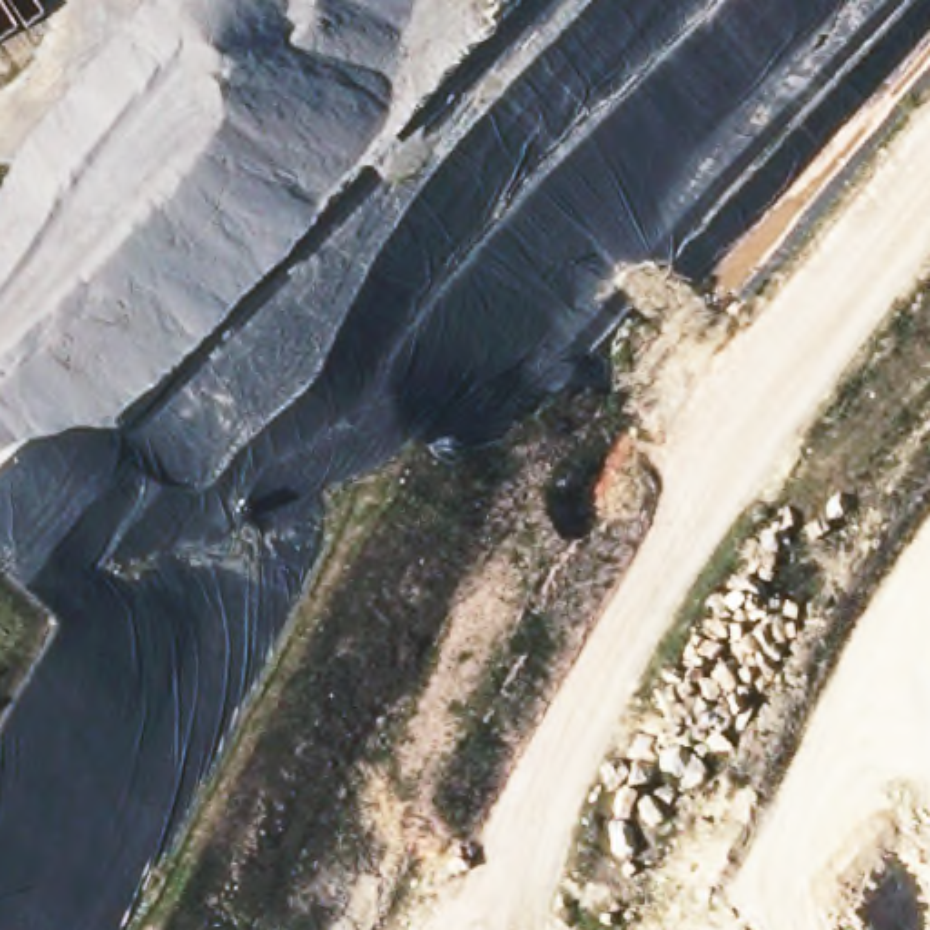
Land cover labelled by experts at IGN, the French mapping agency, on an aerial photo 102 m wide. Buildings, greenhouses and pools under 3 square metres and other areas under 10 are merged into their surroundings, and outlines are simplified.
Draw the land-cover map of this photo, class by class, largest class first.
<instances>
[{"label":"pervious surface","instance_id":"1","mask_svg":"<svg viewBox=\"0 0 930 930\"><path fill-rule=\"evenodd\" d=\"M930 102V0H0V599L11 603L22 618V639L0 661V930H396L403 908L458 901L465 879L476 872V865H483V825L490 817V806L498 803V792L509 781L512 759L527 748L538 719L549 712V694L563 687L567 672L578 665L610 592L636 563L654 527L665 480L661 469L650 461V443L661 447L668 436L650 432L643 418L658 407V381L668 360L679 356L690 341H705L712 352H727L741 331L756 323L759 298L788 283L796 265L810 254V243L821 236V229L872 178L879 153L897 142L901 131H908L915 109ZM625 727L610 737L607 756L592 763V781L585 785L559 890H519L509 915V930H574L563 915L567 897H578L581 908H589L599 923H614L621 930H930V272L890 305V320H883L868 334V341L857 349L846 374L839 378L832 400L817 407L777 498L748 501L712 549L708 563L698 570L679 610L672 614V625L658 639L628 708L621 712Z\"/></svg>","mask_w":930,"mask_h":930},{"label":"impervious surface","instance_id":"2","mask_svg":"<svg viewBox=\"0 0 930 930\"><path fill-rule=\"evenodd\" d=\"M930 272V102L915 109L908 131H901L897 142L879 153L872 178L821 229V236L810 243V254L796 265L788 283L759 298L756 323L741 331L727 352H712L705 341H690L679 356L668 360L658 381V407L643 418L650 432L668 436L661 447L650 443V461L661 469L665 480L654 527L636 563L610 592L578 665L567 672L563 687L549 694V712L538 719L527 748L512 759L509 781L498 792V803L490 806V817L483 825V865H476V872L465 879L458 901L403 908L396 930H509V915L519 890H559L585 785L592 781V763L607 756L610 737L625 727L621 712L628 708L658 639L672 625V614L679 610L698 570L708 563L712 549L748 501L777 498L817 407L832 400L839 378L846 374L857 349L868 341V334L883 320H890V305Z\"/></svg>","mask_w":930,"mask_h":930},{"label":"herbaceous vegetation","instance_id":"3","mask_svg":"<svg viewBox=\"0 0 930 930\"><path fill-rule=\"evenodd\" d=\"M22 639V618L11 603L0 599V661ZM563 915L574 930H621L614 923H599L589 908H581L578 897H567Z\"/></svg>","mask_w":930,"mask_h":930}]
</instances>
